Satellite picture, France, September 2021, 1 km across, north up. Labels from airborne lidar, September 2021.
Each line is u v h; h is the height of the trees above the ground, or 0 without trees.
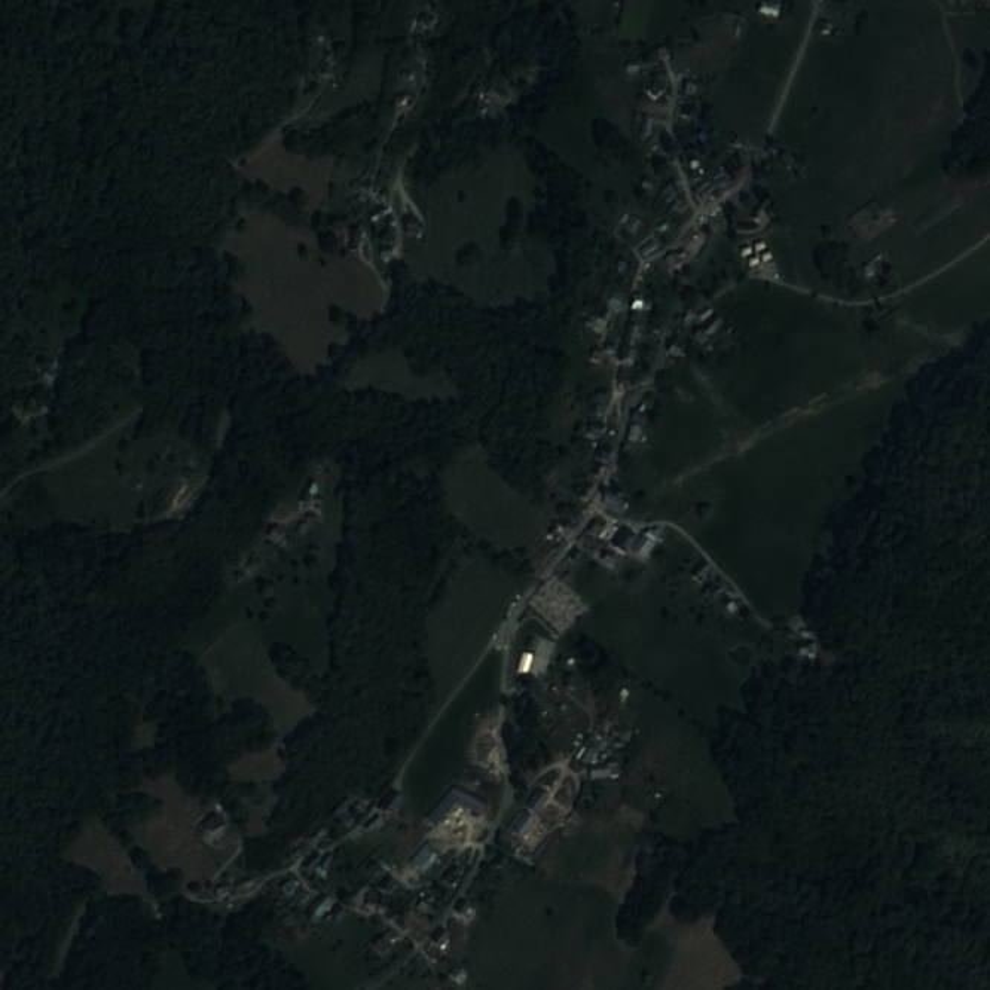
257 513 22
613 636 0
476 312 17
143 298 23
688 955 0
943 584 23
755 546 0
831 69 0
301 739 17
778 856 19
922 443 20
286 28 26
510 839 0
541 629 0
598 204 0
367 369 0
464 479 0
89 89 22
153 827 0
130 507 0
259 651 0
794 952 23
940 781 26
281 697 0
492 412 20
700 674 0
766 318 0
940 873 23
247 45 16
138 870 14
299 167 0
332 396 22
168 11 15
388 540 21
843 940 19
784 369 0
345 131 18
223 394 22
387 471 29
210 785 22
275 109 20
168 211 25
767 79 0
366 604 20
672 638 0
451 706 0
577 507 6
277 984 25
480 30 12
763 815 30
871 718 24
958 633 25
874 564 27
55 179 18
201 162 25
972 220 0
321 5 27
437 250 0
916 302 0
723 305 0
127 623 22
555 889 0
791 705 9
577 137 0
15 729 19
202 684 18
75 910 12
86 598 28
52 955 21
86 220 31
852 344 0
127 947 25
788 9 8
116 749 18
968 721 17
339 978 0
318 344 0
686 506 0
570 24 21
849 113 0
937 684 24
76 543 22
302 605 0
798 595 0
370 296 0
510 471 22
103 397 22
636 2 0
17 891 27
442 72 7
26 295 29
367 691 22
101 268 23
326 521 0
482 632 0
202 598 26
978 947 26
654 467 0
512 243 20
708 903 19
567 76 21
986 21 0
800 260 0
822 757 20
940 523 14
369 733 20
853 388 0
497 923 0
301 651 0
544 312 15
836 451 0
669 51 8
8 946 15
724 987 0
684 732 0
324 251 16
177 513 0
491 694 0
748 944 16
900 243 0
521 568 11
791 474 0
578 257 19
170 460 6
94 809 24
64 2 7
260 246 0
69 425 23
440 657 0
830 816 25
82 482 0
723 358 9
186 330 24
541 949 0
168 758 19
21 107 22
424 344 20
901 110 0
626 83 0
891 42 0
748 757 25
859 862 24
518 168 0
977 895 25
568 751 0
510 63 22
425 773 0
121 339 14
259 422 24
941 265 0
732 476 0
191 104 20
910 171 0
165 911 14
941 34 0
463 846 0
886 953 22
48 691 30
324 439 30
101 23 22
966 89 0
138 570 19
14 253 25
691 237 0
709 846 23
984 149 15
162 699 14
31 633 31
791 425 0
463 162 25
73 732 32
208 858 0
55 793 28
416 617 25
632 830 0
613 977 0
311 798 21
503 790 0
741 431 0
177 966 0
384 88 8
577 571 0
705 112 11
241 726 25
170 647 21
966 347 0
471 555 14
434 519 19
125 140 25
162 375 25
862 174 0
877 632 18
